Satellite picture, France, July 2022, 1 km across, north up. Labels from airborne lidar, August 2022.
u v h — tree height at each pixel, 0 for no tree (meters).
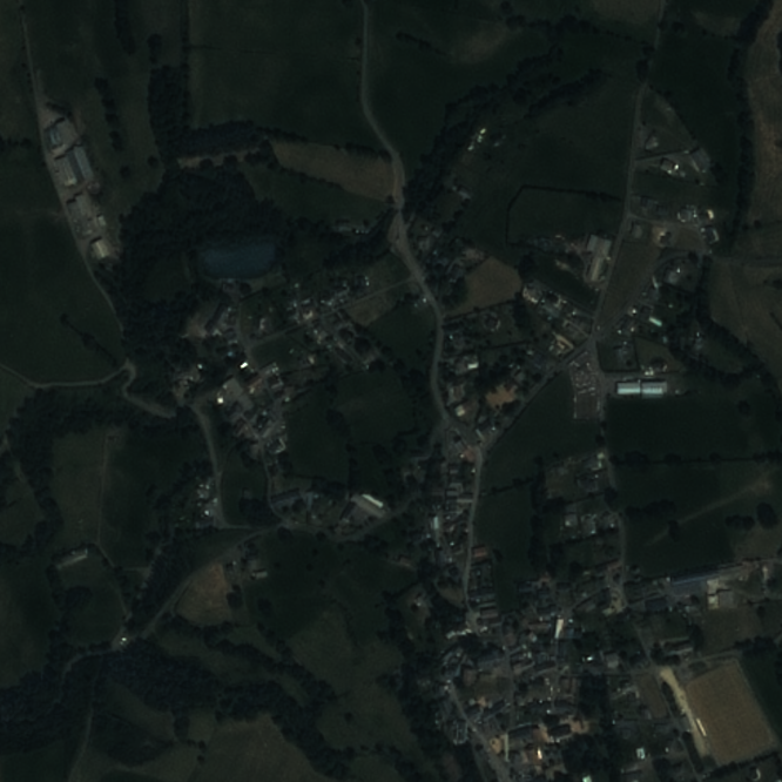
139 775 0
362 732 0
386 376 0
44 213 0
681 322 8
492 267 0
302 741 17
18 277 0
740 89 7
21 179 0
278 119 0
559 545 8
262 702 8
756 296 0
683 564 0
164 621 14
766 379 13
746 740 0
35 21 0
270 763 0
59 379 0
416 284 0
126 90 0
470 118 5
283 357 0
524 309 20
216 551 0
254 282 0
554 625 0
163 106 12
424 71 0
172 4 0
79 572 0
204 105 0
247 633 0
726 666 0
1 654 0
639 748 0
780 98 0
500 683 0
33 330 0
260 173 0
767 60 0
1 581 0
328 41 0
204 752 11
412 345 0
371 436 0
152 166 13
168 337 17
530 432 0
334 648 0
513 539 0
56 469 0
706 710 0
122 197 0
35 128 0
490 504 0
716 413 0
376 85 0
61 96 0
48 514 19
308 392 7
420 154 0
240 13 0
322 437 0
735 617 0
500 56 0
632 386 0
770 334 0
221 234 23
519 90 8
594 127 0
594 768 16
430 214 9
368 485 0
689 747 12
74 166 0
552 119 0
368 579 0
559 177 0
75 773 0
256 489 0
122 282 10
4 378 0
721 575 0
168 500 19
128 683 24
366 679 0
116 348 0
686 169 0
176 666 22
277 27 0
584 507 0
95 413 18
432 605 6
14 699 26
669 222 0
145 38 0
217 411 11
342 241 13
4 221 0
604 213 0
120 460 0
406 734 0
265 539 0
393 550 0
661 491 0
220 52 0
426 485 9
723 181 15
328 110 0
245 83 0
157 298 0
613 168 0
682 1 0
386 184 0
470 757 7
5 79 0
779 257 0
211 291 10
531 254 7
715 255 0
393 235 0
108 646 14
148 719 0
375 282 0
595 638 7
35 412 11
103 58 0
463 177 0
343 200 0
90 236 0
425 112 0
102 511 0
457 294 16
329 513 0
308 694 13
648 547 0
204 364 8
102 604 0
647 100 0
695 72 0
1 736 9
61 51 0
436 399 0
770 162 0
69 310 0
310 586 0
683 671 0
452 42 0
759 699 0
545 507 17
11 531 0
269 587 0
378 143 0
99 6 0
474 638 14
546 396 0
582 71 0
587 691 25
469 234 0
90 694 7
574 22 17
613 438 0
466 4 0
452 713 9
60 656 7
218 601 0
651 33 0
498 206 0
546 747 7
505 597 0
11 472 7
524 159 0
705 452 0
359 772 0
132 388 7
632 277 0
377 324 0
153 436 15
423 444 19
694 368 13
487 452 6
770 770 0
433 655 7
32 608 0
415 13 0
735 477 0
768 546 0
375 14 0
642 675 0
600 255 0
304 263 0
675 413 0
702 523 0
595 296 0
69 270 0
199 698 17
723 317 0
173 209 6
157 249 22
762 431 0
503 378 11
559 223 0
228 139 16
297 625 0
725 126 0
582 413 0
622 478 0
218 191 22
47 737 8
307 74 0
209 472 18
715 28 0
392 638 15
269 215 16
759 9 11
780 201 0
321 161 0
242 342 0
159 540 17
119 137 15
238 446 8
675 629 0
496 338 0
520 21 13
